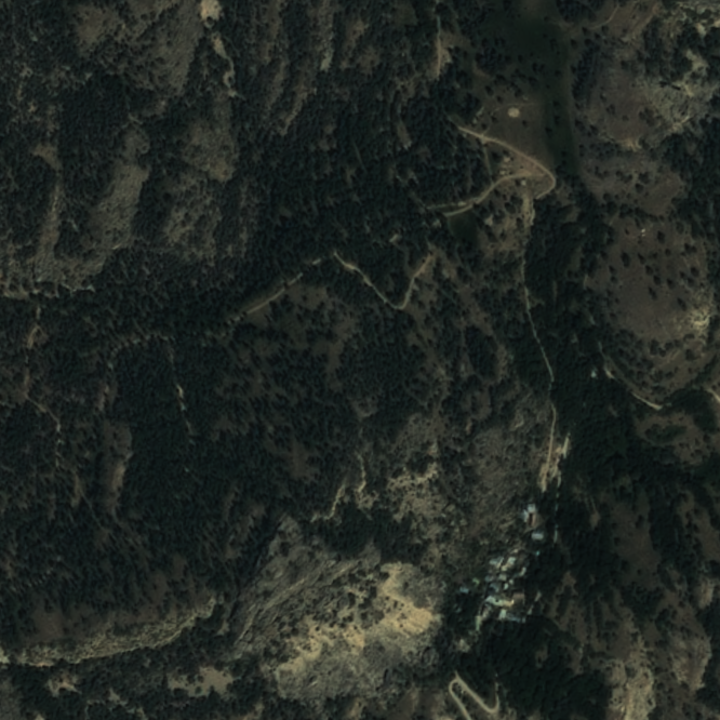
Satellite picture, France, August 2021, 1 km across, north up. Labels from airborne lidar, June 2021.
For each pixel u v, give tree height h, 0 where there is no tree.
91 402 12
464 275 15
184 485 19
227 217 10
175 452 18
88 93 12
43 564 19
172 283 16
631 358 6
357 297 12
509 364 7
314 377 18
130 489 18
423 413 9
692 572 14
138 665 15
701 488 12
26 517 17
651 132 0
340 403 15
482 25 13
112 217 0
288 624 7
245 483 15
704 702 9
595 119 0
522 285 12
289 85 11
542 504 12
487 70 12
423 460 9
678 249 0
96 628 0
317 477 8
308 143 16
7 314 15
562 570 8
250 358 0
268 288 20
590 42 10
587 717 12
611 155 7
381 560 8
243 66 13
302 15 16
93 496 15
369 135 19
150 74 8
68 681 0
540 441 11
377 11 11
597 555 17
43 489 20
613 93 0
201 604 0
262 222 16
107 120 19
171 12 10
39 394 14
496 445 0
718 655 14
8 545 10
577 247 9
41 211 16
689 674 0
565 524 17
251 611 9
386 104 19
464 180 14
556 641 12
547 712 11
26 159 13
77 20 8
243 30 11
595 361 12
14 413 13
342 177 17
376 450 14
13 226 12
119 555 20
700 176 14
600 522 7
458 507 8
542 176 0
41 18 10
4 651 9
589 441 15
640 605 10
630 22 0
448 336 16
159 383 15
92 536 21
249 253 16
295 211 18
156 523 18
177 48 0
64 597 18
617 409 13
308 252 22
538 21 0
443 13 22
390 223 18
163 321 19
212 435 15
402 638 0
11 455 13
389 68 12
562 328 13
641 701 0
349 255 18
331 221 18
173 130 16
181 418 16
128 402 15
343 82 12
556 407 8
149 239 10
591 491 11
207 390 19
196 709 13
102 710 11
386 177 22
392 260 17
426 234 16
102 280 14
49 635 0
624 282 0
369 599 9
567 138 0
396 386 18
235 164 6
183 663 13
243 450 15
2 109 13
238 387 12
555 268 14
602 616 11
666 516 14
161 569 16
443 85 17
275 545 0
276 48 8
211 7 0
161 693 10
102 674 12
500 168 0
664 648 9
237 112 20
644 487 13
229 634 8
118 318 9
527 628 12
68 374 9
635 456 14
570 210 9
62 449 16
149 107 8
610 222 0
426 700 0
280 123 8
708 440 10
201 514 15
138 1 0
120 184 0
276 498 13
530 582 9
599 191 0
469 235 0
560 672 15
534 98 0
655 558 0
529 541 8
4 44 11
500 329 18
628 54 0
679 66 14
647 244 0
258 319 0
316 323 15
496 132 0
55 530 17
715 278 9
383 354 12
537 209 11
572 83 0
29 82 8
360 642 0
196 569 11
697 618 6
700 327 0
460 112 14
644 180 10
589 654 7
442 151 22
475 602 17
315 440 13
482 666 13
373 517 15
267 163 20
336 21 18
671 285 12
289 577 0
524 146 0
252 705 7
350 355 7
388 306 11
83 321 21
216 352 20
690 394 9
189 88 12
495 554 10
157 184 19
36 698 15
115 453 9
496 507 10
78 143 10
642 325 0
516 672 21
